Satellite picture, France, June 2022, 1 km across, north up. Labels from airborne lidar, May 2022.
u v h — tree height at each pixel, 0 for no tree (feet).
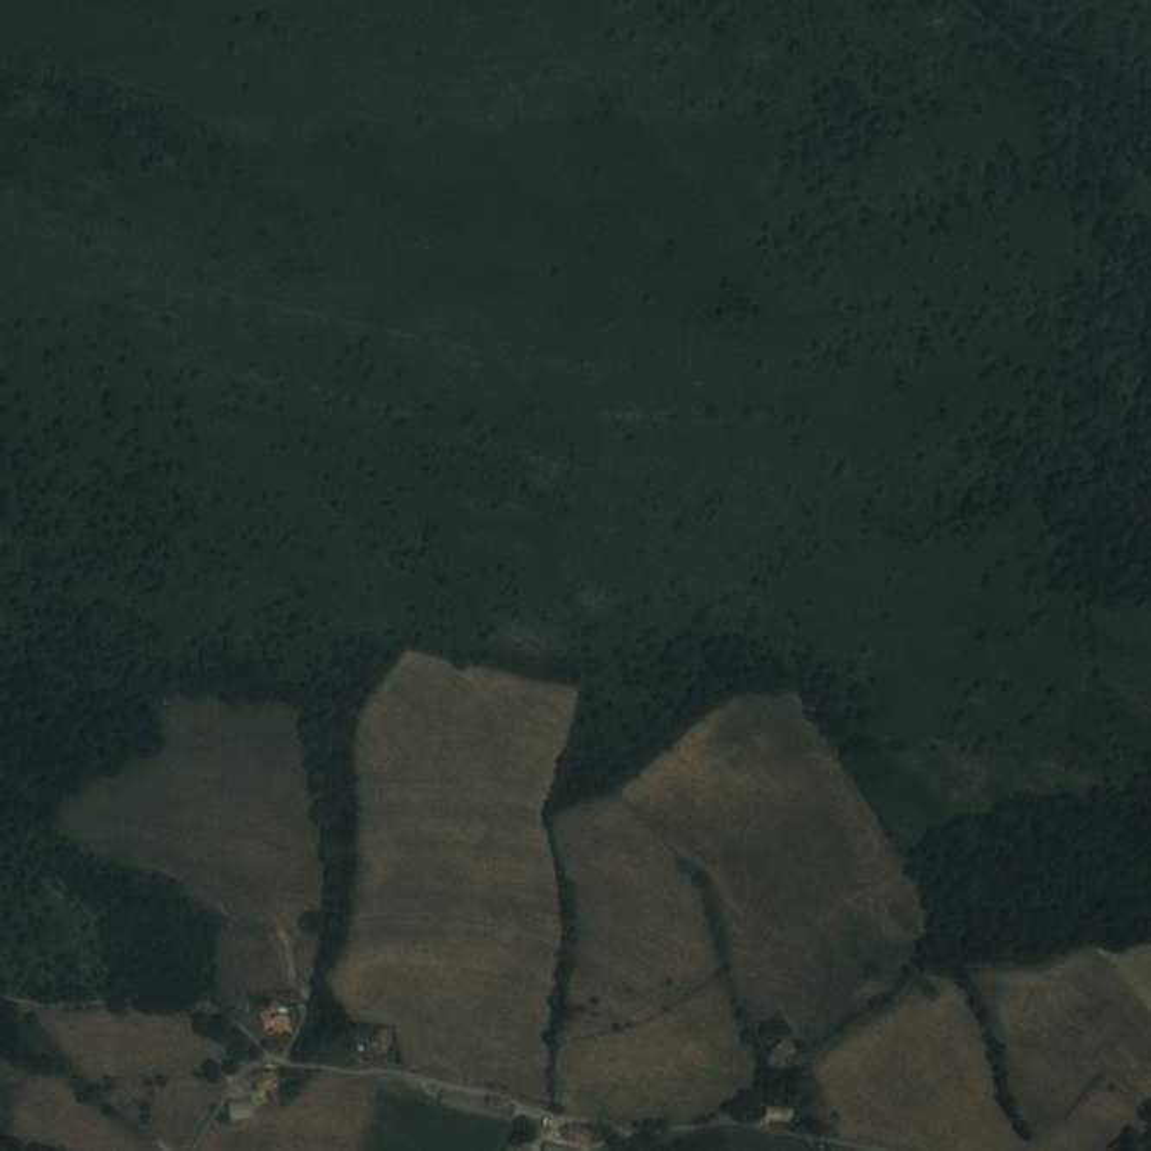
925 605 0
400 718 0
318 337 0
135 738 64
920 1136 0
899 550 0
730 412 0
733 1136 0
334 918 42
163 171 0
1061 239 0
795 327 0
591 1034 0
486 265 0
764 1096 57
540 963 0
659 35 0
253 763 0
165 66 0
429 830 0
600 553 0
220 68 0
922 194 33
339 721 73
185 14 0
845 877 0
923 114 29
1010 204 39
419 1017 0
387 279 0
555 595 0
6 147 0
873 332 19
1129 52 35
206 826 0
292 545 20
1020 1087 0
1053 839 33
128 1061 0
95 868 33
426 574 0
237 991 0
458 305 0
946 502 31
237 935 0
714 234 0
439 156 0
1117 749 24
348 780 68
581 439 0
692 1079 0
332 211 0
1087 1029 0
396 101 0
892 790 0
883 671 0
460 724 0
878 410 0
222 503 40
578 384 0
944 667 0
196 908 24
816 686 31
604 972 0
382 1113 0
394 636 36
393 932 0
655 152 0
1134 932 66
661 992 0
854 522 0
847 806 0
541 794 0
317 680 38
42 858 36
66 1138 0
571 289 0
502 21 0
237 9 0
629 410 0
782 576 42
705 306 0
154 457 21
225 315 0
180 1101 0
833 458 0
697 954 0
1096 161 47
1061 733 0
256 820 0
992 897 21
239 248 0
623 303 0
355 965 0
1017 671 0
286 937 0
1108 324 28
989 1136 0
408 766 0
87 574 47
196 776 0
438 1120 0
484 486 19
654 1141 33
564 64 0
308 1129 0
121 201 0
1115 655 0
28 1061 30
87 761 68
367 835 0
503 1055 0
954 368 0
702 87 0
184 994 41
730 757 0
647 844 0
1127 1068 0
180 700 36
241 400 21
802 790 0
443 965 0
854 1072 0
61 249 0
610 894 0
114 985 48
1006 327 34
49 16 0
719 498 20
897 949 0
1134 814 35
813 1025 0
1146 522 68
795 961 0
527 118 0
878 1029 0
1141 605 42
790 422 25
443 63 0
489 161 0
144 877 31
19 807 39
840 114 35
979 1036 0
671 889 0
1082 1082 0
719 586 0
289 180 0
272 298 0
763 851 0
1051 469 21
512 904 0
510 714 0
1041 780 0
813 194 27
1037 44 33
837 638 0
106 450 0
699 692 55
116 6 0
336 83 0
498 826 0
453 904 0
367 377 24
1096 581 55
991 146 0
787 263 30
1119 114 53
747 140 0
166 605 0
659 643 20
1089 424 40
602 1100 0
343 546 0
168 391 0
